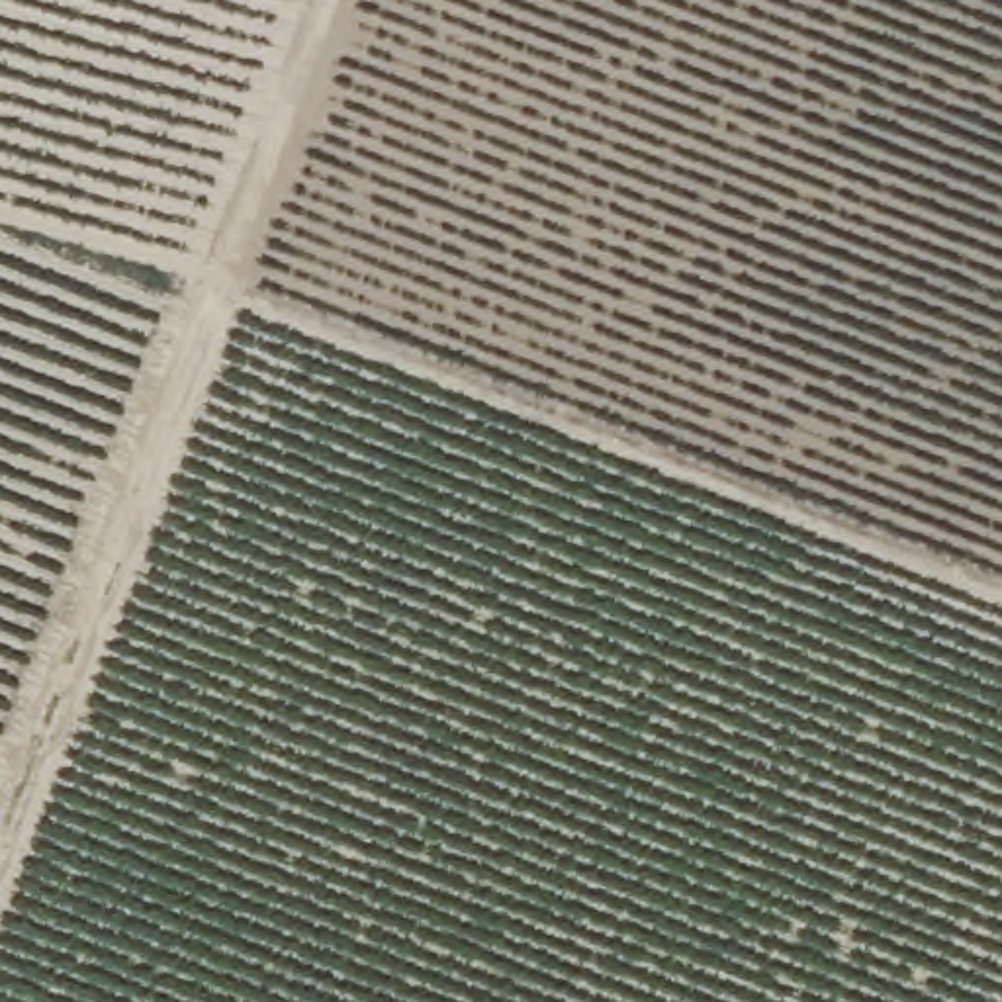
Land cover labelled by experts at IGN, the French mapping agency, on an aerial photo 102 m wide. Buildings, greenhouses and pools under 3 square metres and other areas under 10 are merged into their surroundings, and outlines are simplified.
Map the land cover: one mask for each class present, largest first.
<instances>
[{"label":"vineyard","instance_id":"1","mask_svg":"<svg viewBox=\"0 0 1002 1002\"><path fill-rule=\"evenodd\" d=\"M192 4H207L231 16L274 23L282 0H0V732L12 720V701L35 654V638L47 626V607H39V595H51L59 587L63 568L74 556L70 548L78 540L82 513L78 489L8 462L12 454H23L67 470L70 478L94 481V474L82 466L86 458H106V450L114 446L145 344L160 329L157 309L78 282L70 274L47 270L43 262L47 254H63L70 262L129 278L157 294L172 290V274L117 254L129 239L145 247L184 251L180 239L188 227H196V219L176 211L180 204L207 207L215 176L200 168L204 160H223V153L176 137L180 129H200L235 137L243 117V94L254 82V70L262 67L251 55L204 47L192 39L196 31H207L270 47L266 35L207 23L188 12ZM356 27L372 35V47L364 59L341 55L337 63L329 133L309 137L297 184L270 219V235L258 258V290L305 305L321 317L368 329L384 341L407 344L423 356L411 372H399L384 360L344 352L329 341L266 321L251 309L235 317V329L227 333L223 348V372L207 391V407L192 423L188 454L172 474L164 517L153 528L149 571L141 575V583H133L117 634L106 646L102 669L94 677L90 724L74 736L67 767H59L55 775L51 802L43 806L31 853L23 857V873L12 892V908L0 920V1002H1002V0H360Z\"/></svg>","mask_w":1002,"mask_h":1002},{"label":"pervious surface","instance_id":"2","mask_svg":"<svg viewBox=\"0 0 1002 1002\"><path fill-rule=\"evenodd\" d=\"M360 0H282L274 23L231 16L207 4H192L188 12L207 23L266 35L270 47L207 31H196L192 39L204 47L251 55L262 67L254 70V82L243 94V117L235 137L200 129H180L176 137L223 153V160H204L200 168L215 176L207 207L180 204L176 211L196 219V227H188L180 239L184 251L145 247L129 239L117 254L172 274V290L157 294L129 278L70 262L63 254H47L43 262L47 270L70 274L78 282L157 309L160 329L145 344L114 446L106 450V458H86L82 466L94 474V481L70 478L67 470L23 454H12L8 462L78 489L82 513L78 540L70 548L74 556L63 568L59 587L51 595H39V607H47V626L35 638V654L12 701V720L0 732V920L12 908V892L23 873V857L31 853L43 806L51 802L55 775L59 767H67L74 736L90 724L94 677L102 669L106 646L117 634L133 583H141V575L149 571L153 528L164 517L172 474L188 454L192 423L207 407V391L223 372V348L227 333L235 329V317L251 309L266 321L329 341L344 352L384 360L399 372H411L423 356L407 344L384 341L368 329L321 317L305 305L258 290V258L270 235V219L297 184L309 137L329 133L337 63L341 55L364 59L372 47V35L356 27Z\"/></svg>","mask_w":1002,"mask_h":1002}]
</instances>
